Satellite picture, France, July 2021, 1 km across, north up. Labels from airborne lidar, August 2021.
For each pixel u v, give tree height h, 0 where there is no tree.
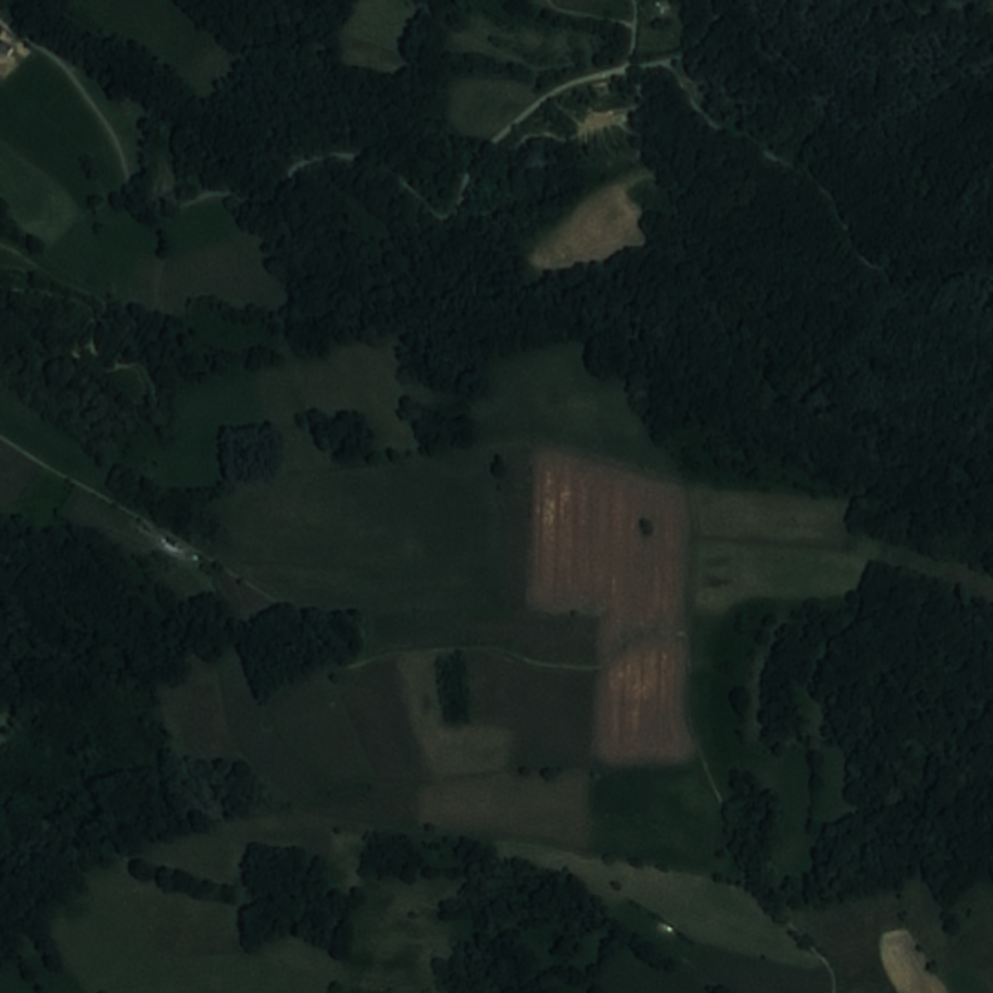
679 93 21
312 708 0
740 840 15
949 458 20
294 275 18
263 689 24
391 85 24
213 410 0
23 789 7
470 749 0
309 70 18
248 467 20
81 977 0
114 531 0
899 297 25
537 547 0
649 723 0
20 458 0
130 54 25
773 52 24
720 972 0
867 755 25
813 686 9
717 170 24
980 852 23
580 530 0
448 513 0
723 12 22
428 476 0
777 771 0
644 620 0
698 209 20
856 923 0
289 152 23
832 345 26
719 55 20
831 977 0
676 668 0
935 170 25
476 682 0
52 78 0
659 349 23
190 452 0
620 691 0
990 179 23
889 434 21
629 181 0
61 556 28
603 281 23
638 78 15
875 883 17
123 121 0
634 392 14
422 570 0
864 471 22
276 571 0
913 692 29
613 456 0
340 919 13
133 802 22
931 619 25
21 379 14
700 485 0
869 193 21
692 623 0
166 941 0
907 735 26
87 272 0
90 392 22
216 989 0
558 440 0
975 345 25
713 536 0
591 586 0
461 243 25
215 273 0
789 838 0
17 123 0
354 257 19
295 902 22
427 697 0
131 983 0
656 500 0
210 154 20
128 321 20
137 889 0
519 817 0
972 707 13
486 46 0
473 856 18
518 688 0
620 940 22
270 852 18
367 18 0
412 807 0
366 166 27
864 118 20
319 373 0
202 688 0
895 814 15
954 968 0
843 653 21
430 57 22
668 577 0
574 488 0
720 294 25
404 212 18
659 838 0
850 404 30
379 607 0
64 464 0
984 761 25
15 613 22
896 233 22
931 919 0
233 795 15
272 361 11
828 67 22
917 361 30
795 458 20
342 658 25
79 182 0
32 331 19
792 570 0
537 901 25
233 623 21
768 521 0
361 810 0
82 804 29
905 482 22
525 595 0
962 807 21
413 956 0
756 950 0
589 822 0
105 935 0
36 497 0
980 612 17
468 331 27
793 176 19
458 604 0
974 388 25
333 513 0
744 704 21
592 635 0
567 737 0
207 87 0
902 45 24
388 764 0
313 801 0
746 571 0
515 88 0
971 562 25
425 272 19
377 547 0
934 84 16
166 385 16
